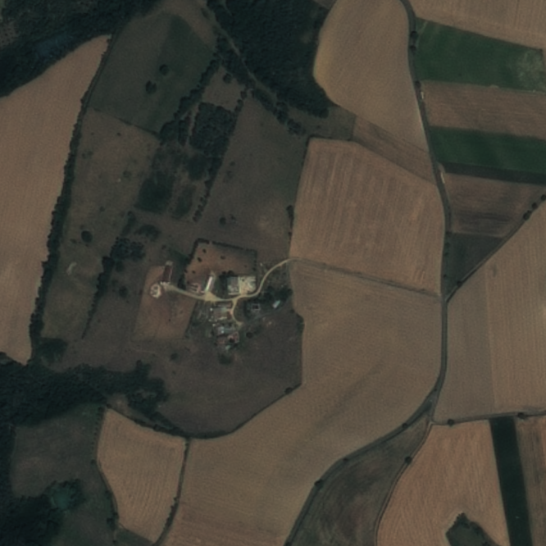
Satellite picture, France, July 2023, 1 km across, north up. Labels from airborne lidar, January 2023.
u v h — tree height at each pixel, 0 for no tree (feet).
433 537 0
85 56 0
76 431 0
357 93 0
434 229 0
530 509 0
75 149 26
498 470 0
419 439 0
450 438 0
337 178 0
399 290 0
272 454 0
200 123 42
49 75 0
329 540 0
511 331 0
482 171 0
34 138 0
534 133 0
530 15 0
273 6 27
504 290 0
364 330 0
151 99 0
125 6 46
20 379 42
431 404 0
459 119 0
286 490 0
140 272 0
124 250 48
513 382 0
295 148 0
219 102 0
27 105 0
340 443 0
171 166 0
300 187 0
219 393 0
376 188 0
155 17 0
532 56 0
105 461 0
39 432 0
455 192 0
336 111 0
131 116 0
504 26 0
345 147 0
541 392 0
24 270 0
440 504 0
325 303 0
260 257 0
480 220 0
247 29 35
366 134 0
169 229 0
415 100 0
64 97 0
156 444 0
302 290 0
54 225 43
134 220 0
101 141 0
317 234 0
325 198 0
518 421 0
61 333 0
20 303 0
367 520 0
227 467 0
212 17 0
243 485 0
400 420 0
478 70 0
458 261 0
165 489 0
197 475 0
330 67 0
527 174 0
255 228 0
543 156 0
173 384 0
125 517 0
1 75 62
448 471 0
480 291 0
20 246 0
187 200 0
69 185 31
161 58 0
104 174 0
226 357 0
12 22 31
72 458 0
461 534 0
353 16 0
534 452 0
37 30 45
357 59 0
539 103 0
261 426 0
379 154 0
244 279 0
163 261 0
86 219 0
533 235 0
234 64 75
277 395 0
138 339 0
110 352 0
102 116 0
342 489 0
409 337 0
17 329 0
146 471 0
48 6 44
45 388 42
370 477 0
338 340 0
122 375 19
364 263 0
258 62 34
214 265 0
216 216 0
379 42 0
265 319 0
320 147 0
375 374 0
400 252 0
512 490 0
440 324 0
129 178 0
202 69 0
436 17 0
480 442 0
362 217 0
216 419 0
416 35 31
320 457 0
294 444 0
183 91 0
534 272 0
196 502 0
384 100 0
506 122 0
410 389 0
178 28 0
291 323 0
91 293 0
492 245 0
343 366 0
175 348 0
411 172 0
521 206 0
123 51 0
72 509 19
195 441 0
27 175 0
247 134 0
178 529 0
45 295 21
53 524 56
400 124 0
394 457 0
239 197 0
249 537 0
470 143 0
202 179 0
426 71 0
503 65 0
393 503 0
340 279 0
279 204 0
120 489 0
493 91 0
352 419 0
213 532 0
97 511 0
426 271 0
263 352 0
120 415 0
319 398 0
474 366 0
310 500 0
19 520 24
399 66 0
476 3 0
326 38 0
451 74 0
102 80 0
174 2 0
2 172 0
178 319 0
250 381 0
